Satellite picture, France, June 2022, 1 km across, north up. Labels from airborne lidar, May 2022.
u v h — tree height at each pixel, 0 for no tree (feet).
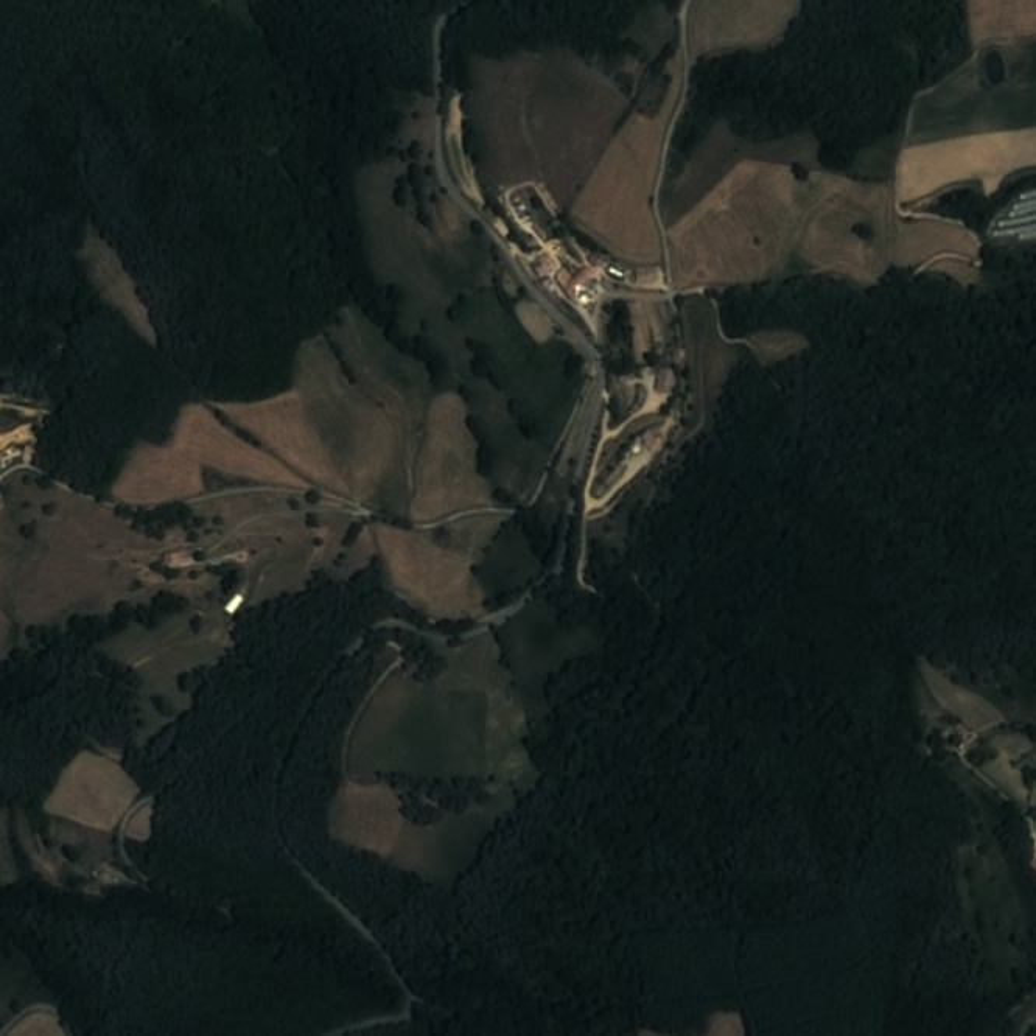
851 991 47
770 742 73
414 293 0
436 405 0
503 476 0
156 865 49
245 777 54
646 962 65
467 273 0
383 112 64
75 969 53
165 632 0
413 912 57
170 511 45
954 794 69
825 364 57
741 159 0
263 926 50
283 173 52
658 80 25
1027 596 67
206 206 68
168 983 52
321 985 78
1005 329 70
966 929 33
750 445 40
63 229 60
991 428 82
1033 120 0
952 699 0
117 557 0
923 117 0
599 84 0
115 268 0
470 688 0
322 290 57
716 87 20
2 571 0
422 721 0
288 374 51
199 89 73
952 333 69
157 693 0
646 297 0
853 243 0
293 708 59
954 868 60
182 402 48
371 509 0
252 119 82
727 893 26
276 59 56
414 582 0
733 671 58
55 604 0
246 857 49
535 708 0
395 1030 57
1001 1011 56
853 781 58
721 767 31
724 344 0
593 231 0
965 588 71
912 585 64
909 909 50
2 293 41
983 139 0
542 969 39
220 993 66
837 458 79
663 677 57
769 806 56
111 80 60
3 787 59
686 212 0
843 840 41
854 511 80
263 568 0
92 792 0
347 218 94
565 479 0
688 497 42
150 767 55
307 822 84
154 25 71
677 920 30
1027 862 31
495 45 49
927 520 70
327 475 0
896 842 39
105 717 54
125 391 59
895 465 74
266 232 79
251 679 52
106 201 59
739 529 58
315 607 59
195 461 0
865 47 77
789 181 0
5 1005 0
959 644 55
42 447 47
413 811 38
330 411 0
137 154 52
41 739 62
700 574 43
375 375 0
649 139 0
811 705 78
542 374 0
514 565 0
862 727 61
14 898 65
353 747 0
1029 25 0
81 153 48
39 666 61
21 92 68
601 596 38
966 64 0
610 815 55
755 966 71
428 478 0
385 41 64
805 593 58
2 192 68
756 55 26
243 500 0
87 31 47
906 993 34
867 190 0
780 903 34
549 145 0
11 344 46
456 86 41
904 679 47
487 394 0
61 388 51
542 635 0
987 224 44
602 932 49
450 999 77
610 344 28
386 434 0
